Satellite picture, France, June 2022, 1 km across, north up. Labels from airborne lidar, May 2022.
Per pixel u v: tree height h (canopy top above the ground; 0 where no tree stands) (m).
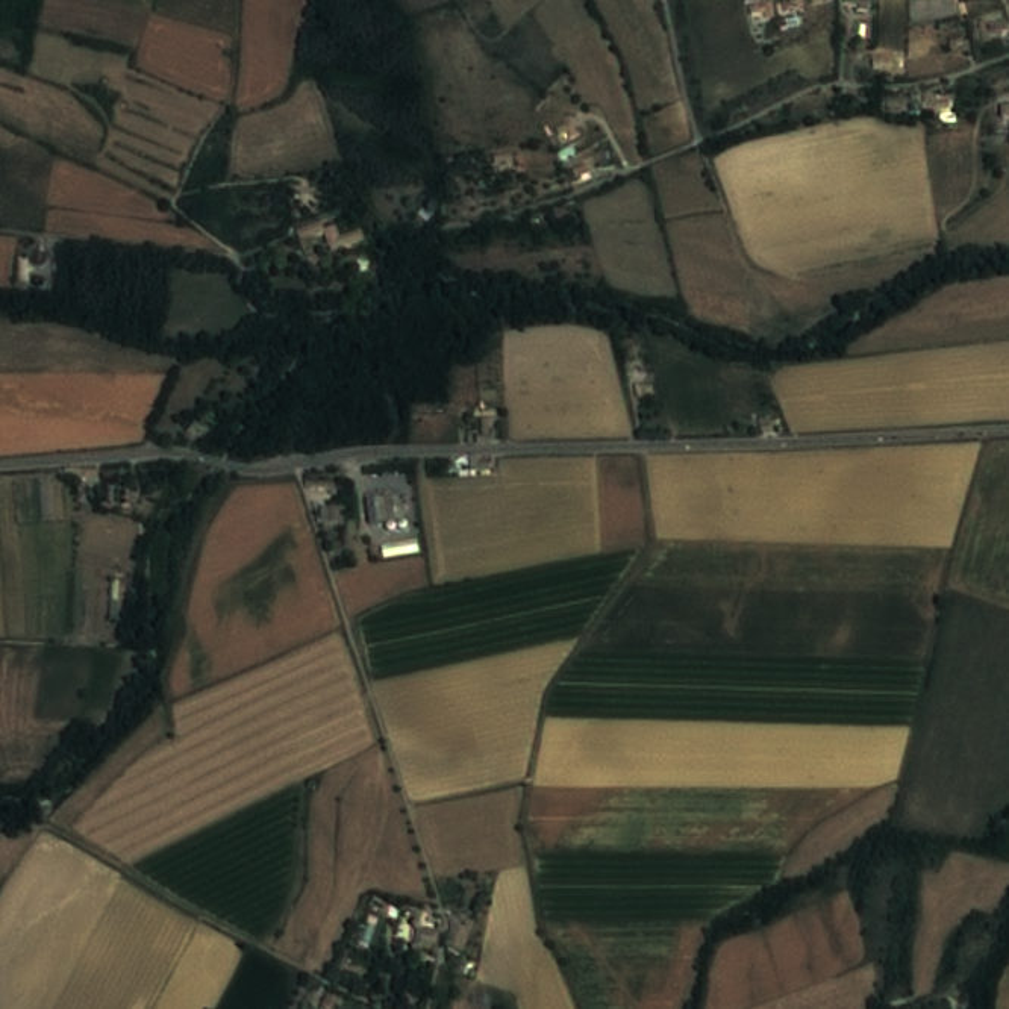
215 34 0
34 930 0
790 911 0
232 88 0
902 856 6
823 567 0
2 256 0
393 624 0
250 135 0
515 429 0
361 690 0
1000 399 0
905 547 0
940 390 0
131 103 0
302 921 0
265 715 0
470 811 0
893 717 0
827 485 0
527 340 0
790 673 0
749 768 0
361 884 0
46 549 0
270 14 0
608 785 0
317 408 12
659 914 0
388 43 14
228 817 0
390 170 12
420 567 0
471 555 0
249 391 12
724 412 0
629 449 0
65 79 0
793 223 0
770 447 0
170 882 0
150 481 9
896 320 0
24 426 0
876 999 8
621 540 0
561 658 0
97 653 0
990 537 0
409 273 12
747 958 0
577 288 13
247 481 0
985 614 0
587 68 0
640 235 0
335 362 13
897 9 0
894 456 0
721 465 0
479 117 0
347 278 16
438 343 14
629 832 0
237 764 0
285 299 16
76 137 0
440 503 0
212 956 0
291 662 0
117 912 0
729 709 0
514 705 0
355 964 7
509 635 0
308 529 0
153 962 0
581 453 0
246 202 7
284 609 0
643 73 0
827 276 0
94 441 0
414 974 16
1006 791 0
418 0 0
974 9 0
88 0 0
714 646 0
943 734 0
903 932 8
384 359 11
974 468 0
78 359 0
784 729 0
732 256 0
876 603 0
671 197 0
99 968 0
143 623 14
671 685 0
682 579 0
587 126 0
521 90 0
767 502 0
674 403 0
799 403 0
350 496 9
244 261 5
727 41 0
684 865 0
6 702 0
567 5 0
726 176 0
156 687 13
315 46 17
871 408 0
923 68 0
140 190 0
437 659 0
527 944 0
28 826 25
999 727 0
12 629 0
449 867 0
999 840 16
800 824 0
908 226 0
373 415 18
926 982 0
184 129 0
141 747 0
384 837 0
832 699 0
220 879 0
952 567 0
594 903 0
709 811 0
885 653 0
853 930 0
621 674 0
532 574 0
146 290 18
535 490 0
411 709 0
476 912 15
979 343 0
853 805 0
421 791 0
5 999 0
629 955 0
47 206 0
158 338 17
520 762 0
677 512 0
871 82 8
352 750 0
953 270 20
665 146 0
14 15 7
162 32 0
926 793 0
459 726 0
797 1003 0
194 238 0
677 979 0
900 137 0
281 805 0
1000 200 0
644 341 0
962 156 0
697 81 8
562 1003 0
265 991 0
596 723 0
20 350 0
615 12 0
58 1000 0
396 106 13
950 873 0
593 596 0
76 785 13
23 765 0
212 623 0
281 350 17
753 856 0
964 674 0
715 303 0
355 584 0
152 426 12
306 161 0
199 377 0
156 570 0
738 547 0
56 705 0
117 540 0
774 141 0
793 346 17
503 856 0
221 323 0
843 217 0
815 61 0
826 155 0
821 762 0
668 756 0
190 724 0
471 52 0
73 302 13
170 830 0
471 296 12
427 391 11
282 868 0
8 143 0
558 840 0
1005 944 12
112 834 0
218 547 0
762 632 0
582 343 0
